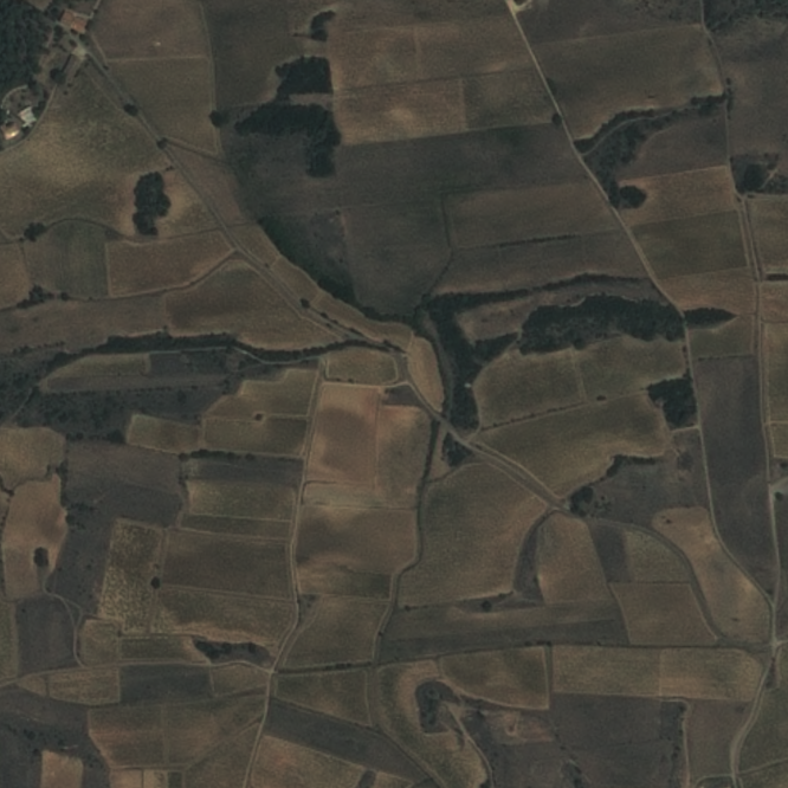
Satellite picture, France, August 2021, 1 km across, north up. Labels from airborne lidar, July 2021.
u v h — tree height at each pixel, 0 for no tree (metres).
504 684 0
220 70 0
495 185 0
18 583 0
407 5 0
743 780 0
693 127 0
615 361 0
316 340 0
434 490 0
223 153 0
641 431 0
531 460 0
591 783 0
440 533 0
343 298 11
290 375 0
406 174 0
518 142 0
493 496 0
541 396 0
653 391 7
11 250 0
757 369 0
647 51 0
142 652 0
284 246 10
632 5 0
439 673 0
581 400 0
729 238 0
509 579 0
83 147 0
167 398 0
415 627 0
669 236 0
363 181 0
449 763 0
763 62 0
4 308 0
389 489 0
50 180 0
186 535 0
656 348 0
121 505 0
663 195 0
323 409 0
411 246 0
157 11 0
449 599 0
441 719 0
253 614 0
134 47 0
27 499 0
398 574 0
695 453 0
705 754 0
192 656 0
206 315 0
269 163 0
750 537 0
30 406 8
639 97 0
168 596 0
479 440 0
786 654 0
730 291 0
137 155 0
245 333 0
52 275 0
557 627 0
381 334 0
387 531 0
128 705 0
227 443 0
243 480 0
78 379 0
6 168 0
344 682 0
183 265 0
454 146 0
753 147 0
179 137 0
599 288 0
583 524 0
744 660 0
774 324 0
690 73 0
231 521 0
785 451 0
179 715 0
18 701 0
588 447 0
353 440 0
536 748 0
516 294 6
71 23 0
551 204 0
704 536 0
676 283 0
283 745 0
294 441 0
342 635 0
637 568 0
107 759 0
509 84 0
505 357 0
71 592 0
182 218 0
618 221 0
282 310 0
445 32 0
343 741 0
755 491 0
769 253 0
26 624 0
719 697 0
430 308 6
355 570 0
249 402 0
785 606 0
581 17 0
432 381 0
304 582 0
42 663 0
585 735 0
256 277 0
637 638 0
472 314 0
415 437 0
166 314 0
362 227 0
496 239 0
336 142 6
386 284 0
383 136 0
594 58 0
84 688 0
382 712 0
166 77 0
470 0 0
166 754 0
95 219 0
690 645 0
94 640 0
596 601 0
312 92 6
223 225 0
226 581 0
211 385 0
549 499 0
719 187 0
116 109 0
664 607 0
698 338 0
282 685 0
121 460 0
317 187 0
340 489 0
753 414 0
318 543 0
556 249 0
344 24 0
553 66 0
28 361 0
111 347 6
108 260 0
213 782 0
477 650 0
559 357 0
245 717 0
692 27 0
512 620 0
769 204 0
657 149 0
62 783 0
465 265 0
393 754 0
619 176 0
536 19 0
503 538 0
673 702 0
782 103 0
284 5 0
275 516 0
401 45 0
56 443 0
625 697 0
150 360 0
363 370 0
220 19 0
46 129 0
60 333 0
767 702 0
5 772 0
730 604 0
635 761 0
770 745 0
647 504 0
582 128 0
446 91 0
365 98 0
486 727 0
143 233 6
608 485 0
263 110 7
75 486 0
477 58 0
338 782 0
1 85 15
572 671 0
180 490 0
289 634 0
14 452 0
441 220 0
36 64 17
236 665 0
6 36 12
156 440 0
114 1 0
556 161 0
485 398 0
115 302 0
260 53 0
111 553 0
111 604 0
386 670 0
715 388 0
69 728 0
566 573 0
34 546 0
